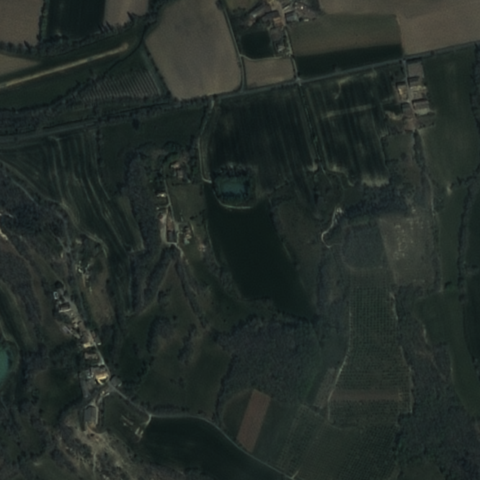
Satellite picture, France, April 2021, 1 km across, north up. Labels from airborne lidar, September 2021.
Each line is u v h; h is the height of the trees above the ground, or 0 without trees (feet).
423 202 49
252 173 52
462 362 0
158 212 40
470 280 0
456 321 0
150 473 52
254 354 73
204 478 60
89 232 0
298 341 64
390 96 0
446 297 0
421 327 35
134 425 0
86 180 0
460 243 19
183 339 0
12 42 0
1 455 58
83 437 0
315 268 0
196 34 0
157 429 0
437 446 65
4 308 0
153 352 57
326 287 63
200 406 0
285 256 0
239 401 0
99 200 0
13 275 78
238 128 0
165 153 0
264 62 0
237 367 56
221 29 0
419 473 0
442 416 53
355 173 0
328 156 0
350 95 0
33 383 38
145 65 0
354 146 0
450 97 0
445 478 20
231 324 0
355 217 38
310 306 0
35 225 47
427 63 0
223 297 0
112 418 0
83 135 0
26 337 0
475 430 39
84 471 0
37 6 0
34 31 0
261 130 0
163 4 47
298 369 59
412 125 0
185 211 0
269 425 0
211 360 0
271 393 55
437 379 36
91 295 0
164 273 51
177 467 0
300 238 0
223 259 0
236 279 0
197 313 55
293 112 0
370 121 0
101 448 0
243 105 0
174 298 0
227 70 0
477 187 65
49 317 0
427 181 58
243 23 0
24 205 36
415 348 41
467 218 47
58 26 0
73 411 35
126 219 0
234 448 0
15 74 0
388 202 28
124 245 0
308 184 0
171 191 0
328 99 0
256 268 0
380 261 42
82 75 0
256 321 49
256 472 0
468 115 0
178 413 47
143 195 75
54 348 0
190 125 0
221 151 0
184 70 0
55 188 0
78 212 0
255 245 0
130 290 0
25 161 0
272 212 49
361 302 17
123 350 0
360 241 56
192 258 0
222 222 0
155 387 0
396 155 0
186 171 55
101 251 32
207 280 0
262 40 0
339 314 56
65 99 0
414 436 63
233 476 0
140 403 35
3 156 0
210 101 43
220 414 45
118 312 54
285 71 0
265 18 0
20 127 41
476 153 0
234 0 0
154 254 69
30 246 42
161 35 0
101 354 0
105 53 0
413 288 45
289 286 0
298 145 0
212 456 0
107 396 36
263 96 0
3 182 35
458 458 67
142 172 51
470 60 0
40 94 0
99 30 0
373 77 0
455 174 0
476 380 0
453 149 0
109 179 0
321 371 49
